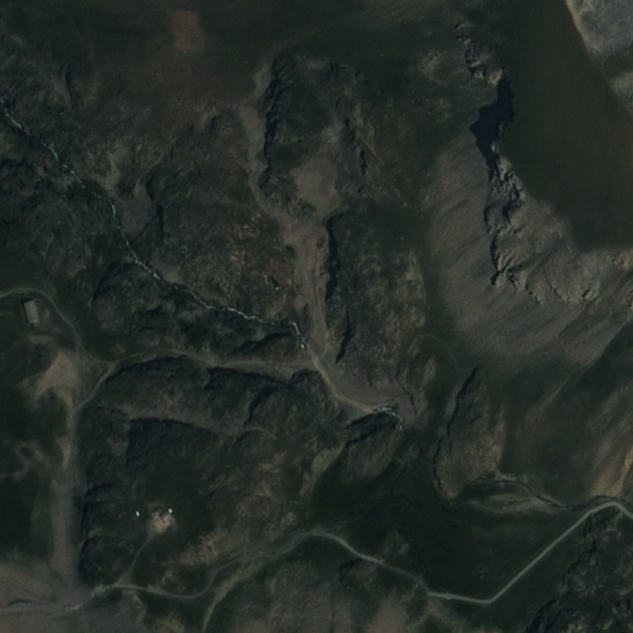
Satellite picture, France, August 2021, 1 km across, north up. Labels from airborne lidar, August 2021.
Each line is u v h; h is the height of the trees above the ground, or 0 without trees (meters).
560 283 0
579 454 0
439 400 0
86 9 0
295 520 0
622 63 0
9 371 0
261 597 0
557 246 0
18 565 0
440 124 0
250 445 0
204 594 0
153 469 0
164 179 0
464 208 0
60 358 0
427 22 0
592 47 0
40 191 8
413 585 0
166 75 0
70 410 0
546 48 0
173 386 0
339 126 0
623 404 0
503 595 0
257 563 0
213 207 0
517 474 0
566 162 0
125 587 0
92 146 0
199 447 0
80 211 0
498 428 0
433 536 0
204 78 0
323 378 0
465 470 0
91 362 0
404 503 0
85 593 0
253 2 0
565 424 0
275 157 0
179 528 0
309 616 0
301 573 0
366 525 0
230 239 0
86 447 0
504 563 0
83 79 0
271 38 0
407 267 0
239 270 0
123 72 0
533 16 0
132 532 0
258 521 0
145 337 0
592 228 0
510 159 0
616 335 0
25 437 0
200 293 0
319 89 0
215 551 0
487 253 0
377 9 0
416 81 0
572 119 0
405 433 0
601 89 0
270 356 0
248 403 0
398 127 0
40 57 0
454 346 0
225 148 0
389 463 0
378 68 0
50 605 0
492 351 0
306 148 0
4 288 0
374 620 0
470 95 0
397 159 0
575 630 0
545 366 0
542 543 0
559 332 0
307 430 0
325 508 0
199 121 0
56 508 0
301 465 0
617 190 0
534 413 0
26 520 0
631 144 0
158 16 0
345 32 0
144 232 0
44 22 0
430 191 0
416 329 0
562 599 0
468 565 0
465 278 0
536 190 0
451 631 0
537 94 0
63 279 0
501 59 0
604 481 0
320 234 0
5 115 13
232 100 0
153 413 0
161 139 0
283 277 0
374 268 0
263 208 0
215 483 0
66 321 0
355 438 0
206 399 0
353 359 0
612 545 0
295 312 0
